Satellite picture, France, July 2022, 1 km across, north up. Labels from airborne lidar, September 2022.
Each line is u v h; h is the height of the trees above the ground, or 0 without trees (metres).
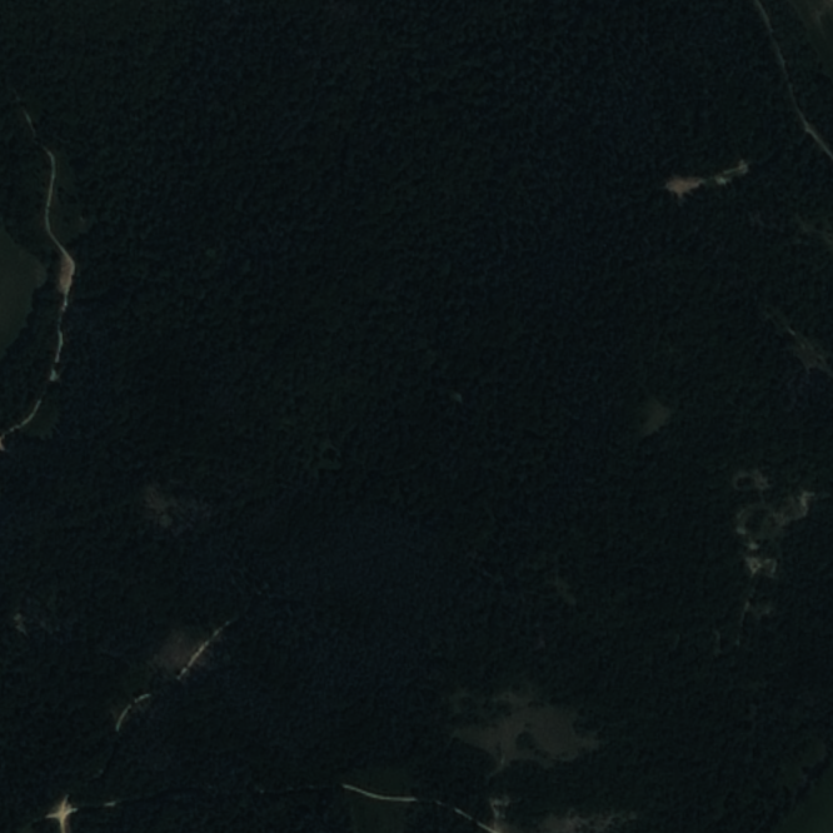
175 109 16
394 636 25
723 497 18
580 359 24
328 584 16
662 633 10
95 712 23
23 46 15
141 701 18
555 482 28
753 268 13
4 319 0
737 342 19
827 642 18
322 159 13
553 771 6
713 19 24
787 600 15
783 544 6
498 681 14
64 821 0
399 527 25
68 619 21
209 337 19
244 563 14
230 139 19
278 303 16
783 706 15
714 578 18
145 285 25
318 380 17
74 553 18
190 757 20
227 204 18
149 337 19
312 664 25
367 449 16
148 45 15
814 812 0
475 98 22
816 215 9
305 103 19
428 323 14
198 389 17
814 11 0
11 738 17
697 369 13
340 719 24
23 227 15
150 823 19
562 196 9
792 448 13
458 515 25
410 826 8
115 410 18
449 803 17
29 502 25
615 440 13
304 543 23
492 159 17
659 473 15
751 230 20
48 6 17
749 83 21
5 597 20
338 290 16
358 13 15
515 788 7
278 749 24
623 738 7
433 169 17
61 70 17
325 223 23
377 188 19
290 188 24
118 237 24
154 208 18
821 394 21
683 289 7
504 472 17
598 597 11
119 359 20
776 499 8
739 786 19
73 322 17
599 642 16
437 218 12
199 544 25
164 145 20
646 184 23
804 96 17
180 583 17
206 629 20
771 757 17
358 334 18
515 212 25
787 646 13
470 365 27
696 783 14
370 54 12
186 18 14
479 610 26
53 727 14
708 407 15
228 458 16
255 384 15
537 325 22
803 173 25
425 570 20
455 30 22
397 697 23
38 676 21
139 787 16
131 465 11
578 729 7
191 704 24
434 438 25
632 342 20
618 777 11
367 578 22
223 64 22
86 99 18
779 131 22
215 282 22
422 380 20
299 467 12
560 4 26
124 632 23
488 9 20
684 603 14
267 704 23
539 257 25
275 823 15
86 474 28
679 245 20
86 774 8
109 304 25
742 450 14
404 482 24
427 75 22
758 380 13
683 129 20
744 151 8
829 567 15
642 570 14
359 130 19
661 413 0
